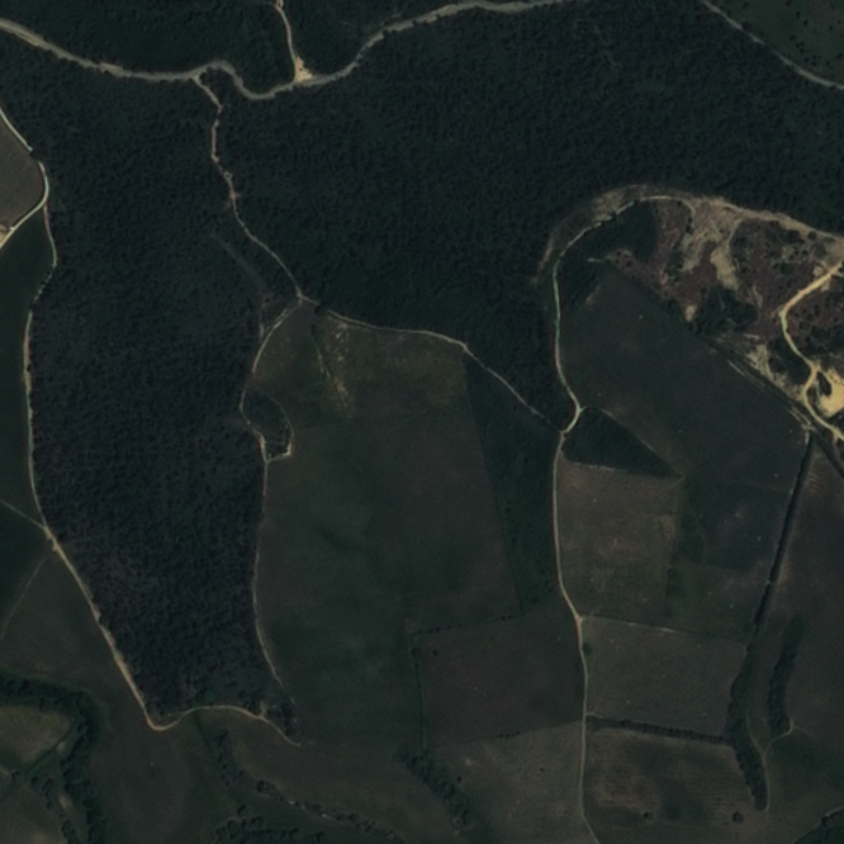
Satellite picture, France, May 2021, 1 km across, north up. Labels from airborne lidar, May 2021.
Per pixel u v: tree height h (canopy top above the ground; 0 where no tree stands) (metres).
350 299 6
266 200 12
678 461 0
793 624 0
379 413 0
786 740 0
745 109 21
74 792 15
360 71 14
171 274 12
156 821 0
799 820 0
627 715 0
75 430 16
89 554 8
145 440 15
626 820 0
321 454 0
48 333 6
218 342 12
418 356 0
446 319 6
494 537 0
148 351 14
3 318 0
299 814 0
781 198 22
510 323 15
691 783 0
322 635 0
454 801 7
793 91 13
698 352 0
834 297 6
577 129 13
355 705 0
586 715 0
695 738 12
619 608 0
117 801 0
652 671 0
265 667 14
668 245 0
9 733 0
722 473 0
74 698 14
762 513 0
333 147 14
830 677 0
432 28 7
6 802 0
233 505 15
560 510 0
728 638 0
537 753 0
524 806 0
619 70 15
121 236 13
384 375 0
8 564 0
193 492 13
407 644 0
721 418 0
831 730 0
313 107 13
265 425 0
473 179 13
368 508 0
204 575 13
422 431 0
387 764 0
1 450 0
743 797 0
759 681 0
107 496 14
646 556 0
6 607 0
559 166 9
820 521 0
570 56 20
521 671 0
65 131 21
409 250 19
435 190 13
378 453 0
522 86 15
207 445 11
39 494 16
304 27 13
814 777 0
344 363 0
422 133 11
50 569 0
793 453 0
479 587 0
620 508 0
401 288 6
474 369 5
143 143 11
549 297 0
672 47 21
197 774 0
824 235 0
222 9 9
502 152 14
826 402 0
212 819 0
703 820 0
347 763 0
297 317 0
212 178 14
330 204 12
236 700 0
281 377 0
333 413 0
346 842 0
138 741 0
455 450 0
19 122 12
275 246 9
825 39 0
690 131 13
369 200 15
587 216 0
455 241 18
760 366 0
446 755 0
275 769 0
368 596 0
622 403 0
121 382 14
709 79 19
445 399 0
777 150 6
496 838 0
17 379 0
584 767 0
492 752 0
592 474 0
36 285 0
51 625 0
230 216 10
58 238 15
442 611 0
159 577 8
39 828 0
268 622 0
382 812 0
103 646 0
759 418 0
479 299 6
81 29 10
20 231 0
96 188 12
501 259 16
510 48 15
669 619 0
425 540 0
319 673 0
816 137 6
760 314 0
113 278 9
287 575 0
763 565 0
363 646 0
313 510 0
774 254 7
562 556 0
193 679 9
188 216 7
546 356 17
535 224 11
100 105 8
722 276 0
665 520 0
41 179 0
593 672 0
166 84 9
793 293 0
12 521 0
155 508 14
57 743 0
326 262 6
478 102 17
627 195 0
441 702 0
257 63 9
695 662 0
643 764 0
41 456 19
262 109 12
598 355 0
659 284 6
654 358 0
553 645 0
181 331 16
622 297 0
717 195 14
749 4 8
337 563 0
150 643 7
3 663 0
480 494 0
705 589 0
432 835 0
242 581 15
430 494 0
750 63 18
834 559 0
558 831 0
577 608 0
